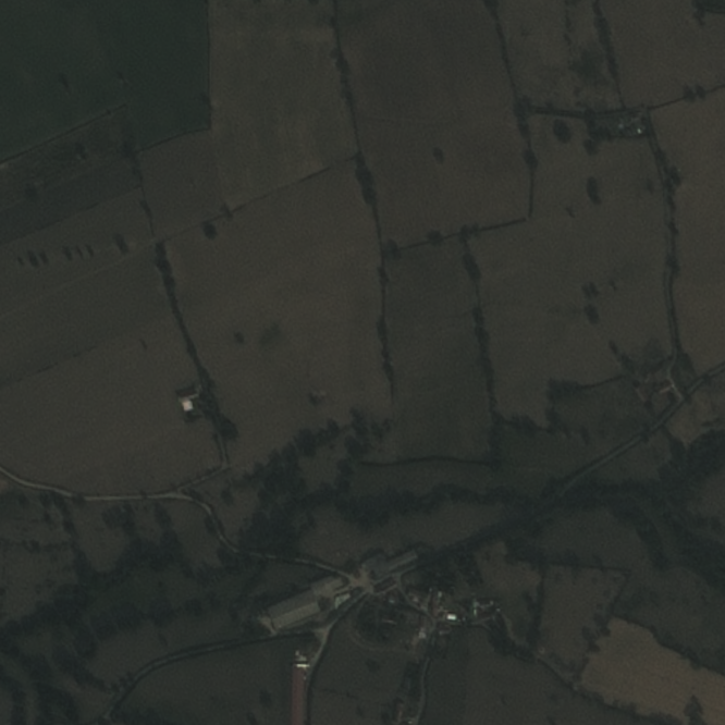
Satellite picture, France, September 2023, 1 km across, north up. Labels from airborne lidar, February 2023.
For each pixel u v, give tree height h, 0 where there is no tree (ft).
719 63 0
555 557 0
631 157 0
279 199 0
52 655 0
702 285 0
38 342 0
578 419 0
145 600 0
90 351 0
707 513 0
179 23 0
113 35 0
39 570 0
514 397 0
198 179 0
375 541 0
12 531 0
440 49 0
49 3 0
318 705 0
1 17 0
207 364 0
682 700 0
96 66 0
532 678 0
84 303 0
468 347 0
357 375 0
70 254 39
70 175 0
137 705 0
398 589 0
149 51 0
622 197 0
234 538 0
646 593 0
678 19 0
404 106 0
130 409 0
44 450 0
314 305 0
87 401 0
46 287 0
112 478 0
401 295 0
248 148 0
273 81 0
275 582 0
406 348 0
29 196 36
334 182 0
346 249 0
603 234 0
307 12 0
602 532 0
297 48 0
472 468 0
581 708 0
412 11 0
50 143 0
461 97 0
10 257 0
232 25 0
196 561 0
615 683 0
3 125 0
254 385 0
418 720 0
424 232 0
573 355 0
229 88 0
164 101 0
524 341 0
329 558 0
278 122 0
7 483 0
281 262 0
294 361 0
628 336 0
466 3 0
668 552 0
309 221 0
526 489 0
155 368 0
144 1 0
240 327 0
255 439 0
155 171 0
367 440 0
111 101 0
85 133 0
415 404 0
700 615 0
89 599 57
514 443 0
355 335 0
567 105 0
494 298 0
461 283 0
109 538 0
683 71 0
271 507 0
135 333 0
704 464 51
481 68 0
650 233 0
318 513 0
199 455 0
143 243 0
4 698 0
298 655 0
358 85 0
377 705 0
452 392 0
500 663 0
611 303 0
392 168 0
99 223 0
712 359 0
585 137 0
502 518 0
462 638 0
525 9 0
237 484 0
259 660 0
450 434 0
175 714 0
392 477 0
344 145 0
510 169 0
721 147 0
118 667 0
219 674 0
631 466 0
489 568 0
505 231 0
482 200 0
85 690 0
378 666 0
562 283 0
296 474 67
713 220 0
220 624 0
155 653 0
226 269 0
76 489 0
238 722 0
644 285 0
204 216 0
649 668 0
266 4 0
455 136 0
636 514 63
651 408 33
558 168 0
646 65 0
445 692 0
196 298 0
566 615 0
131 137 0
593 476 0
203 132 0
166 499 0
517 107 40
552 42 0
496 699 0
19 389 0
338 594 0
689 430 0
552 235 0
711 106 0
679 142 0
